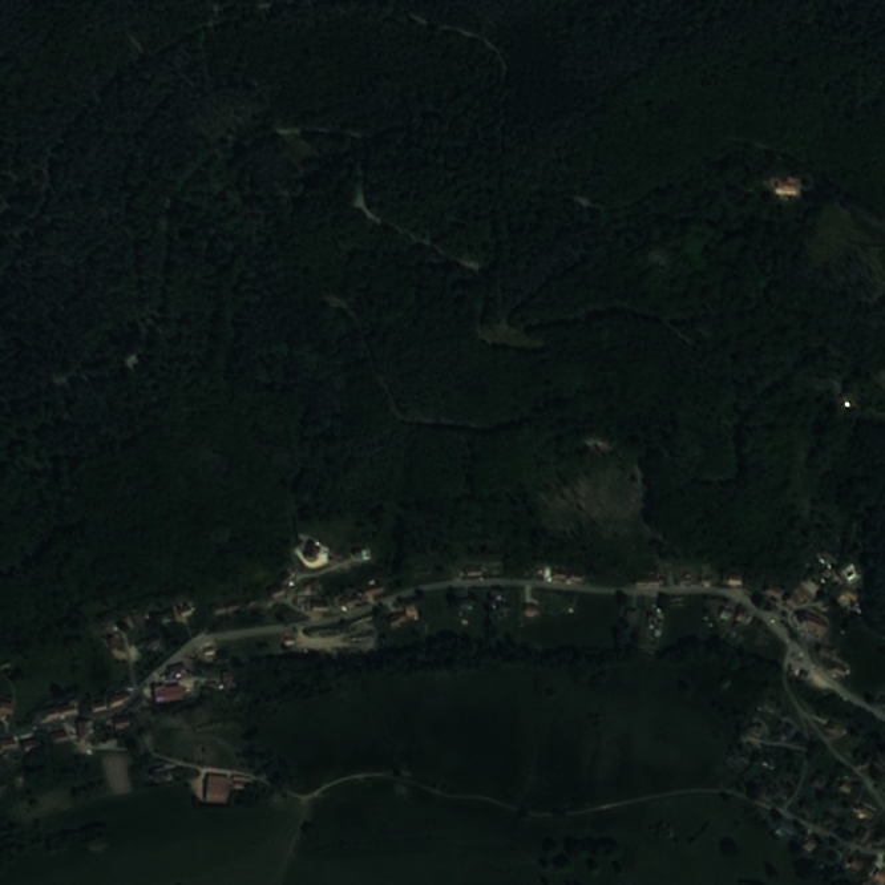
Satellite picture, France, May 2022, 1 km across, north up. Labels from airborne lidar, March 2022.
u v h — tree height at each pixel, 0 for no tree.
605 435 28
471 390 17
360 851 0
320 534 0
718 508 25
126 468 14
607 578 0
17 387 36
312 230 16
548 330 19
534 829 0
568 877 0
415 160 16
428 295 26
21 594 23
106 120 28
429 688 0
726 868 0
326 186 25
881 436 22
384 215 17
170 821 0
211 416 13
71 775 7
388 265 22
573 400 28
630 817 0
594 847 15
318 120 9
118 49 19
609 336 23
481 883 0
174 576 25
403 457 17
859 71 15
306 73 11
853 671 0
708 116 27
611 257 15
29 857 0
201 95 29
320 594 0
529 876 0
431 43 9
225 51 11
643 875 0
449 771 0
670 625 0
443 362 12
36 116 27
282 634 0
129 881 0
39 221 23
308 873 0
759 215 13
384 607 11
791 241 16
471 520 25
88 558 8
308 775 0
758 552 22
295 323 33
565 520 0
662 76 16
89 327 25
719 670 0
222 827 0
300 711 0
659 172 25
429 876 0
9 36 23
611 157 22
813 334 20
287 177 25
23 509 21
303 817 0
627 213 11
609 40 24
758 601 14
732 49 20
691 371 15
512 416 23
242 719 0
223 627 13
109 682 0
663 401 21
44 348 31
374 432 12
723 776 0
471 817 0
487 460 24
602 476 0
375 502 9
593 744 0
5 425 21
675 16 20
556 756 0
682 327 17
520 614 0
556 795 0
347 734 0
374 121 13
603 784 0
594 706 0
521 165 18
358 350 20
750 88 25
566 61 20
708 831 0
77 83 19
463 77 9
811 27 18
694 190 12
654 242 10
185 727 0
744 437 29
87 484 17
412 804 0
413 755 0
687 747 0
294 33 7
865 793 0
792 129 24
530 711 0
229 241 35
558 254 25
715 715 0
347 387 22
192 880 0
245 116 20
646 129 22
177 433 9
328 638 0
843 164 25
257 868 0
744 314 21
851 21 17
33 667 0
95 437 27
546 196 20
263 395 20
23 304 32
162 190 25
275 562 14
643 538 0
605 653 7
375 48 6
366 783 0
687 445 26
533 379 18
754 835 0
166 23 20
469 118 14
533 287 15
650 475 28
